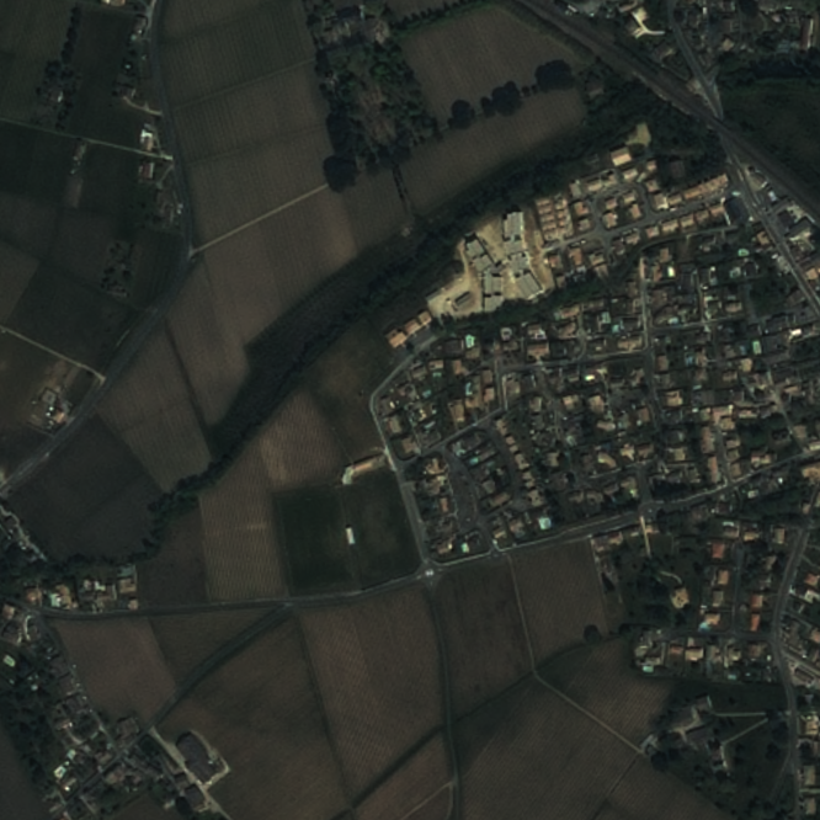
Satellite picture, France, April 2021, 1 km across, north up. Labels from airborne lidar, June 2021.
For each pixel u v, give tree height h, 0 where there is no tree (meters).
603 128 14
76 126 0
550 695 0
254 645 0
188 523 0
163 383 0
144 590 0
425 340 0
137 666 0
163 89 0
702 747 13
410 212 0
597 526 0
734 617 0
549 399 0
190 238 0
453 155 0
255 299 0
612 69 11
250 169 0
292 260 0
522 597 0
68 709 7
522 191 21
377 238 0
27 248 0
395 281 21
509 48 0
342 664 0
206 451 0
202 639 0
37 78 0
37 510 0
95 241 0
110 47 0
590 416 12
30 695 8
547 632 0
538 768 0
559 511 7
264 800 0
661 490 20
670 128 19
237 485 0
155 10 0
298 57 0
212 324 0
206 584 0
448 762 0
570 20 0
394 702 0
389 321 0
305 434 0
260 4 0
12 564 11
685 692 0
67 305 0
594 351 0
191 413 0
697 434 20
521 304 12
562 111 0
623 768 0
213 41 0
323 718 0
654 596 17
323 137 0
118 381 0
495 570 0
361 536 0
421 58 0
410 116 11
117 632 0
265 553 0
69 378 0
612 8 8
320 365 0
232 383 0
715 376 0
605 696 0
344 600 0
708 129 18
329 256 0
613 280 16
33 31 0
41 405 0
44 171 0
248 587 0
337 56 21
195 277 0
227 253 0
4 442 0
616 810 0
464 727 0
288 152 0
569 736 0
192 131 0
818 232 0
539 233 0
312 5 12
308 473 0
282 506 0
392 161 19
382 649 0
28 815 0
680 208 0
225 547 0
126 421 0
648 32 0
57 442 0
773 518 6
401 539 0
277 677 0
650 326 0
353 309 10
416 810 0
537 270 0
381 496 0
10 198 0
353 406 0
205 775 0
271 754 0
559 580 0
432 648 0
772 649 0
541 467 7
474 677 0
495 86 0
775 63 7
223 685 0
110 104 0
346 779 0
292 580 0
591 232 0
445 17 15
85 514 0
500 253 0
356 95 15
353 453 0
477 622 0
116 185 0
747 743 0
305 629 0
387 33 0
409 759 0
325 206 0
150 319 0
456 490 0
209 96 0
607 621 0
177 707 0
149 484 0
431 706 0
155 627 0
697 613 7
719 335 6
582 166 0
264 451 0
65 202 0
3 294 0
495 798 0
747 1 12
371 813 0
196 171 0
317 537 0
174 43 0
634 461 0
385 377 0
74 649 0
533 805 0
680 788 0
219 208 0
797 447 7
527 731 0
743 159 0
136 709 0
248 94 0
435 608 0
